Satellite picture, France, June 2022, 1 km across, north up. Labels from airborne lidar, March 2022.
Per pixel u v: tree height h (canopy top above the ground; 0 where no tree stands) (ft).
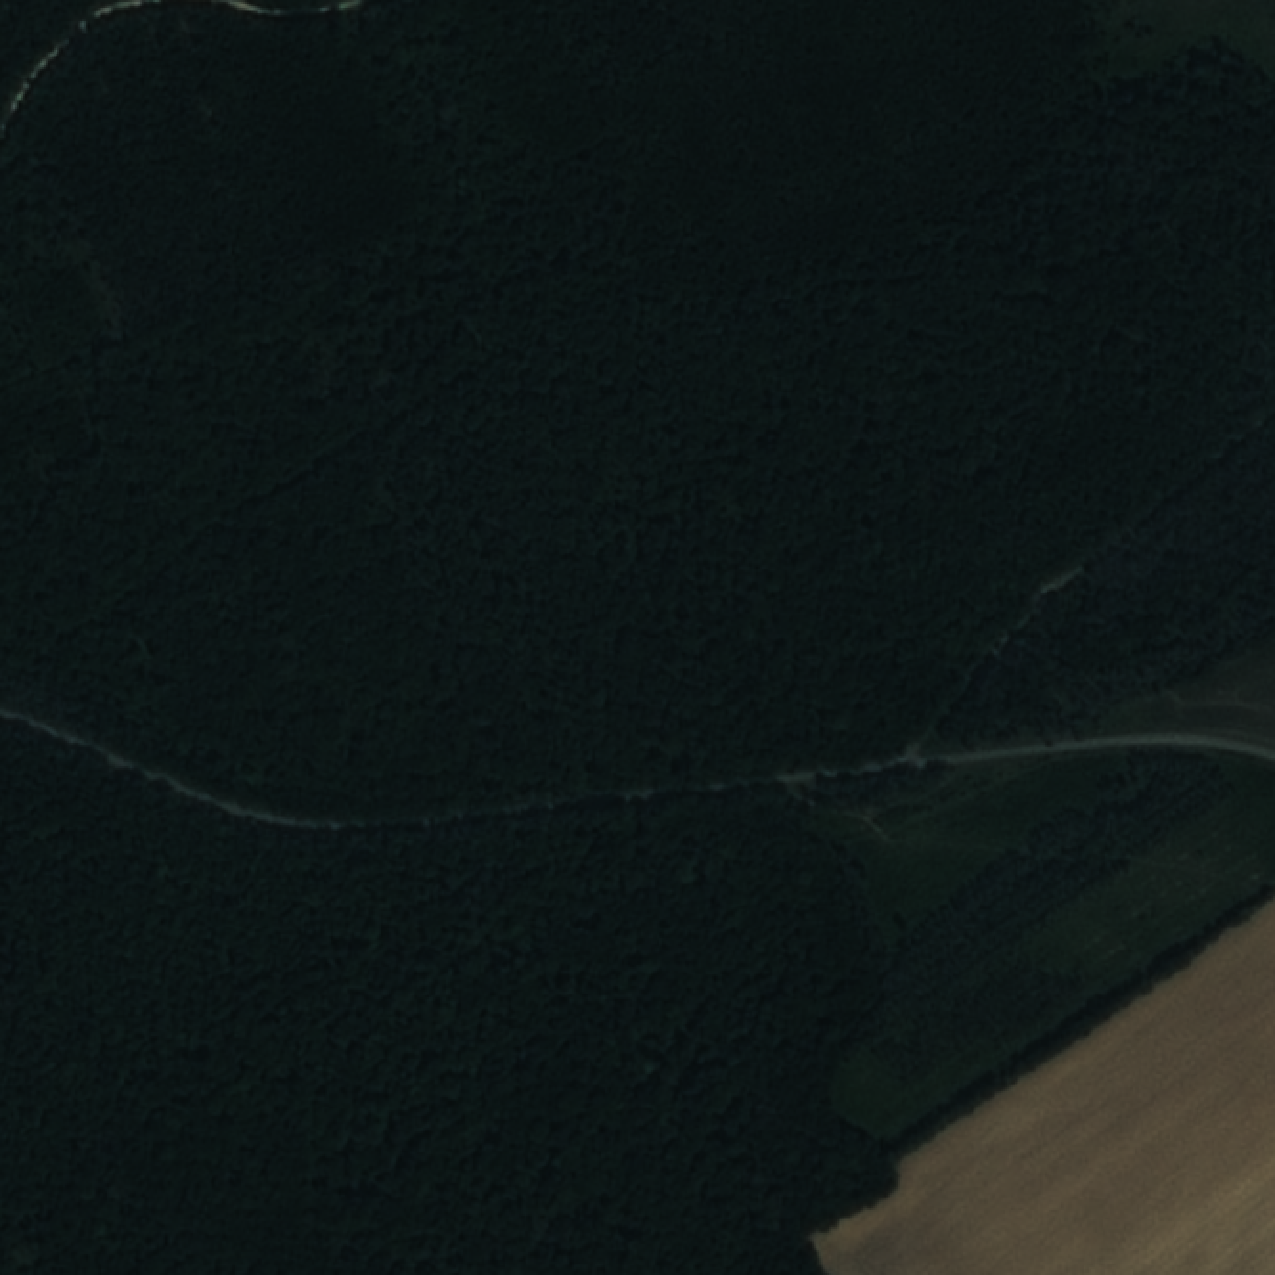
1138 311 60
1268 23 0
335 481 58
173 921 58
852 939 60
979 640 53
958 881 0
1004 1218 0
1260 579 70
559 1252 73
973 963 66
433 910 57
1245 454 64
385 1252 81
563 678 50
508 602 44
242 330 56
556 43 30
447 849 59
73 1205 77
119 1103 64
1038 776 0
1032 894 69
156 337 57
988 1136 0
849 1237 0
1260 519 57
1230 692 0
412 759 54
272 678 47
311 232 53
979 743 55
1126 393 57
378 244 57
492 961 22
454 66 43
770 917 61
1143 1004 0
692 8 47
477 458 55
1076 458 61
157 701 58
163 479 52
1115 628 70
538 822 54
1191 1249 0
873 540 59
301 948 70
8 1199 71
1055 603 62
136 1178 69
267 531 81
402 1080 53
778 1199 75
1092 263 77
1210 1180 0
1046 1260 0
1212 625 57
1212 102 74
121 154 60
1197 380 60
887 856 0
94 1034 72
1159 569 55
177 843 62
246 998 68
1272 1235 0
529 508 55
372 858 70
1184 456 62
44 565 66
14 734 60
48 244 60
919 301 54
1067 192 67
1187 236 62
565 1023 59
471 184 50
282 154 44
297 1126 64
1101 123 53
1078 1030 45
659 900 59
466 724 48
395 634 54
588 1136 65
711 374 53
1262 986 0
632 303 61
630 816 56
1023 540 59
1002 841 0
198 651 58
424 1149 63
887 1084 0
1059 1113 0
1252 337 56
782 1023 45
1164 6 0
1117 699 47
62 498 52
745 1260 54
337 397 60
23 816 71
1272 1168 0
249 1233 72
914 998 62
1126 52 0
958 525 62
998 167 41
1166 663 48
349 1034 67
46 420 25
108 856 60
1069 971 0
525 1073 73
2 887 74
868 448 75
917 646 63
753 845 58
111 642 58
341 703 59
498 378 54
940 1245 0
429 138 62
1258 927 0
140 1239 46
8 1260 68
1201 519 57
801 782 0
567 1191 71
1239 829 0
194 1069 65
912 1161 0
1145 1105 0
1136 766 57
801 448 72
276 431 69
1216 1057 0
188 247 50
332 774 67
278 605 51
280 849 59
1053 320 43
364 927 71
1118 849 46
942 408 52
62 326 21
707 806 54
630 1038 74
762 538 56
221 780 66
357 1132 81
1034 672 68
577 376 62
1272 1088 0
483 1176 68
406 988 81
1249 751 0
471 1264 63
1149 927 0
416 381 60
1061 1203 0
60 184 62
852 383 52
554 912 53
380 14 53
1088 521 51
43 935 58
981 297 66
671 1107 42
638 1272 64
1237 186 64
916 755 0
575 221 57
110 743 52
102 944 66
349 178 51
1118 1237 0
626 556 63
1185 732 0
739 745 66
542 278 68
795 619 52
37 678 63
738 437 56
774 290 47
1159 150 68
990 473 59
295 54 53
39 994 68
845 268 52
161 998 55
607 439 64
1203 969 0
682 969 63
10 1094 66
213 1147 69
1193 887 0
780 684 53
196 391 48
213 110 47
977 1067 0
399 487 60
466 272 53
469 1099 72
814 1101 68
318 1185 66
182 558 53
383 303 64
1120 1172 0
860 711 67
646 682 49
